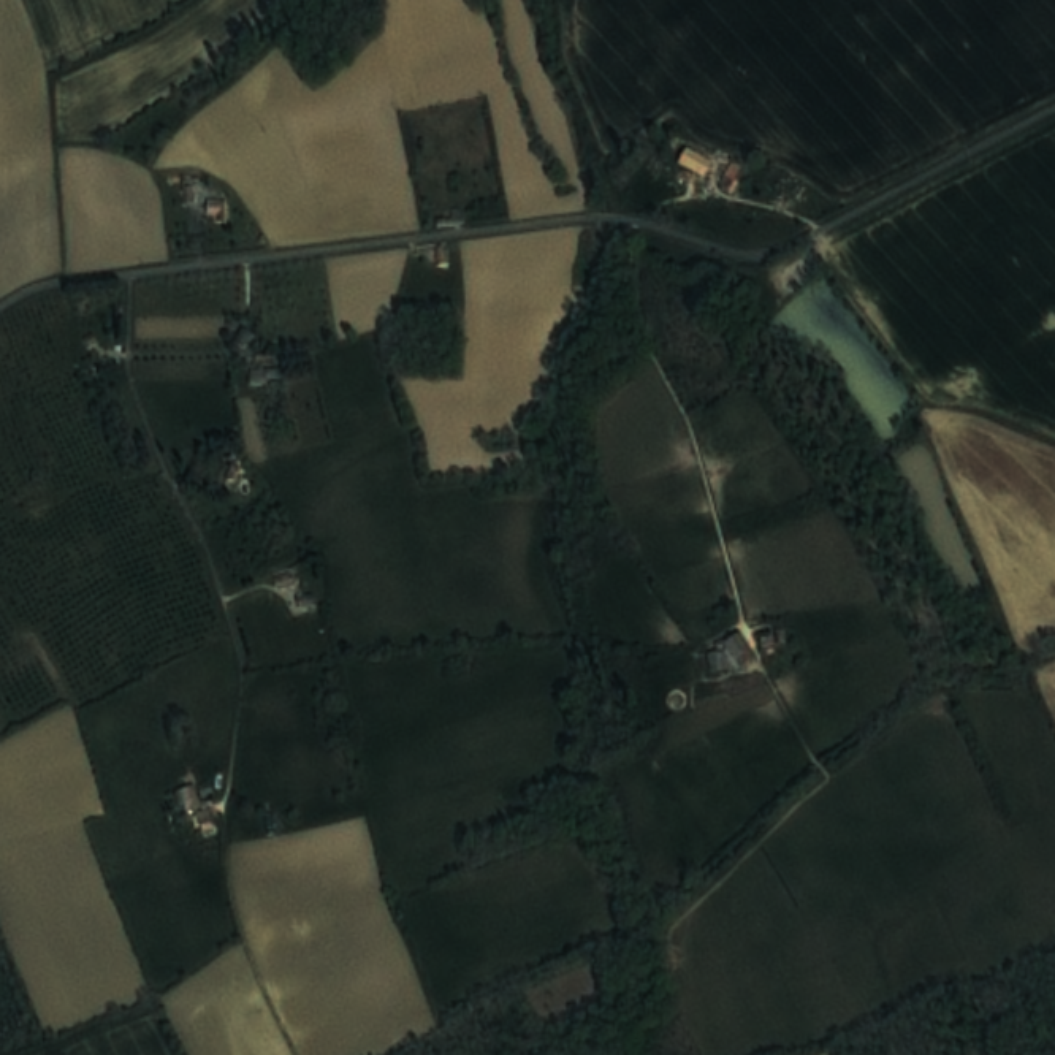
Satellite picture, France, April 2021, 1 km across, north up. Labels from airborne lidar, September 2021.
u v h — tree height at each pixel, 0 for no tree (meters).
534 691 0
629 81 0
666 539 0
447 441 0
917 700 16
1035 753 0
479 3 22
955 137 0
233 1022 0
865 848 0
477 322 0
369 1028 0
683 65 0
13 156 0
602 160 7
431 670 0
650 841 0
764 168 16
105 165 0
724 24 0
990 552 0
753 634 0
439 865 0
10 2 0
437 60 0
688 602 0
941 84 0
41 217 0
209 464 13
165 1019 9
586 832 25
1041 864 0
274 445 7
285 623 0
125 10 0
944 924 0
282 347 8
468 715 0
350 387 0
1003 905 0
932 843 0
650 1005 25
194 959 0
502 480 20
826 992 0
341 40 23
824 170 0
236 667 0
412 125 0
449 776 0
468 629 0
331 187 0
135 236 0
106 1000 0
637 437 0
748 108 0
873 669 0
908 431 0
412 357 23
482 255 0
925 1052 17
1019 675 17
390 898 9
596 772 26
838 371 9
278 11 31
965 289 0
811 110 0
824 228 0
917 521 11
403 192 0
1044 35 0
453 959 0
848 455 10
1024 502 0
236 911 0
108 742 0
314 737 0
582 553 13
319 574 11
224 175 0
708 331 25
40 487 6
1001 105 0
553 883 0
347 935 0
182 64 0
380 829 0
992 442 0
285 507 9
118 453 13
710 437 0
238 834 0
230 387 9
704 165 0
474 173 0
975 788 0
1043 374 0
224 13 0
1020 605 0
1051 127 0
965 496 0
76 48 0
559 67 19
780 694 0
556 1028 16
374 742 0
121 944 0
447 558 0
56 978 0
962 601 20
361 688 0
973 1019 25
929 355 0
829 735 0
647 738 14
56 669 0
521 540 0
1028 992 14
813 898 0
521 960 0
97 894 0
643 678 0
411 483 0
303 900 0
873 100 0
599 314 22
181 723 22
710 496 0
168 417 0
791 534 0
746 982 0
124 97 0
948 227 0
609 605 0
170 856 0
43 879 0
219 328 0
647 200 0
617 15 0
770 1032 0
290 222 0
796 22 0
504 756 0
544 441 11
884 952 0
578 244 0
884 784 0
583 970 14
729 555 0
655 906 20
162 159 0
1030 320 0
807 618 0
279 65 0
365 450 0
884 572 11
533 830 13
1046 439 0
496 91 0
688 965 0
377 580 0
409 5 0
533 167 0
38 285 0
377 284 0
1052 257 0
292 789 0
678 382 7
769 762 0
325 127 0
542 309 0
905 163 0
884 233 0
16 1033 17
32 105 0
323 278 0
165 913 0
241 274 12
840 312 0
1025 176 0
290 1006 0
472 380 0
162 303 0
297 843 0
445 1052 11
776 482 0
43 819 0
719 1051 0
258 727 0
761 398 8
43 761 0
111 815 0
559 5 9
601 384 22
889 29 0
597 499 22
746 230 0
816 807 0
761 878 0
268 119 0
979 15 0
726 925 0
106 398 13
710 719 0
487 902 0
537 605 0
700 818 0
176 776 0
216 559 0
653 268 7
